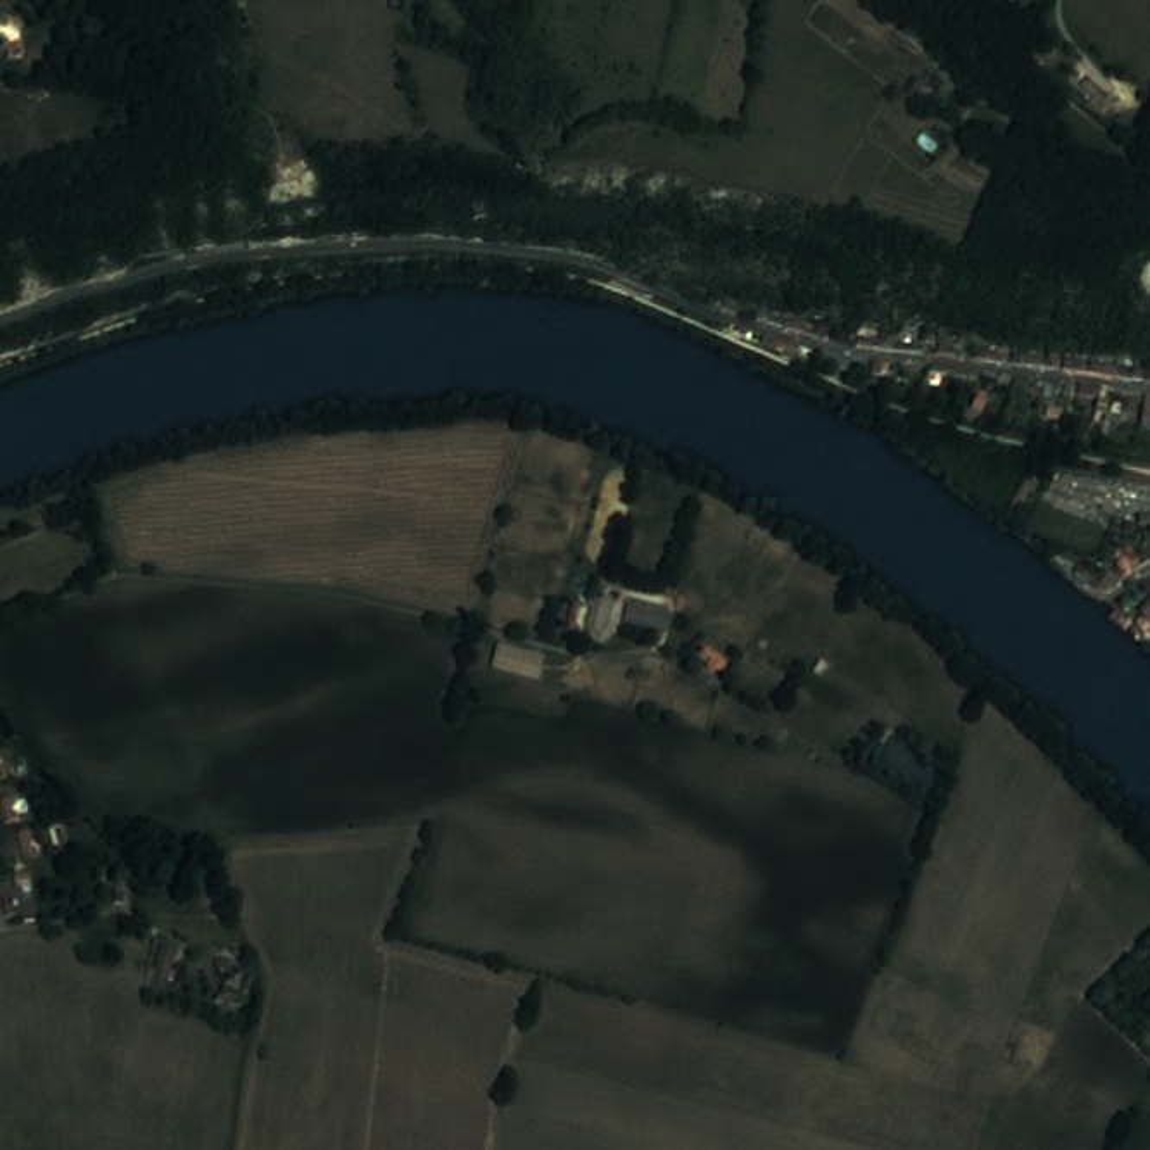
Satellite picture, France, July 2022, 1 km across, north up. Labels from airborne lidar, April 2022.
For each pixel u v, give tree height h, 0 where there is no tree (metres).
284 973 0
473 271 13
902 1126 0
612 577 25
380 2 0
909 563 0
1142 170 20
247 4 0
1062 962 0
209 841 24
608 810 0
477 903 0
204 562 0
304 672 0
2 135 0
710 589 0
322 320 0
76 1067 0
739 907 0
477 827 0
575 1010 0
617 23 0
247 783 0
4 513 0
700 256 5
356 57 0
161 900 0
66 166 18
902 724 0
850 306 7
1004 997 0
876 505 0
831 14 0
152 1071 0
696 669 17
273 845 0
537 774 0
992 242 15
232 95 11
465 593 0
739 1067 0
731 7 0
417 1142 0
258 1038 0
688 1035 0
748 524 0
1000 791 0
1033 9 12
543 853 0
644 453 18
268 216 8
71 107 0
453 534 0
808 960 0
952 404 5
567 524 0
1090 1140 0
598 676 0
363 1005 0
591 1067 0
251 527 0
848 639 0
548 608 8
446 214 10
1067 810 0
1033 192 18
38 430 0
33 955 0
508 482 0
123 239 7
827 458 0
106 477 14
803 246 11
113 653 0
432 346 0
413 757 0
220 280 7
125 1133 0
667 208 8
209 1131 0
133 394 0
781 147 0
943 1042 0
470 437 0
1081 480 0
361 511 0
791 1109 0
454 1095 0
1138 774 0
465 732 0
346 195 7
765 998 0
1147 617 0
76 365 0
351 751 0
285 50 0
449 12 0
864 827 0
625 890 0
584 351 0
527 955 0
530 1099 0
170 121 11
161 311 9
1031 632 0
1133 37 0
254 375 0
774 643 0
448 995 0
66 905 7
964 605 0
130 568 0
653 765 0
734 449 0
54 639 0
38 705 0
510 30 14
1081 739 0
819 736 0
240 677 0
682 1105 0
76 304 8
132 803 0
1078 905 0
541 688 0
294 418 19
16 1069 0
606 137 0
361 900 0
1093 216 21
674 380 0
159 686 0
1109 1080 0
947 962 0
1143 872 0
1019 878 0
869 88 0
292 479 0
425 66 0
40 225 15
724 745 0
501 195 8
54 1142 0
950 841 0
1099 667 0
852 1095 0
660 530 0
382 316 0
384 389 0
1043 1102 0
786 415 0
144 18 19
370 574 0
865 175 0
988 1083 0
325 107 0
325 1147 0
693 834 0
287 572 0
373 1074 0
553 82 6
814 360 9
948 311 6
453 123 0
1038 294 7
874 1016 0
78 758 0
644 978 0
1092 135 0
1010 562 0
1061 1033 0
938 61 16
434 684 0
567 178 0
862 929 0
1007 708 12
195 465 0
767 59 0
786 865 0
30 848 0
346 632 0
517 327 0
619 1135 0
